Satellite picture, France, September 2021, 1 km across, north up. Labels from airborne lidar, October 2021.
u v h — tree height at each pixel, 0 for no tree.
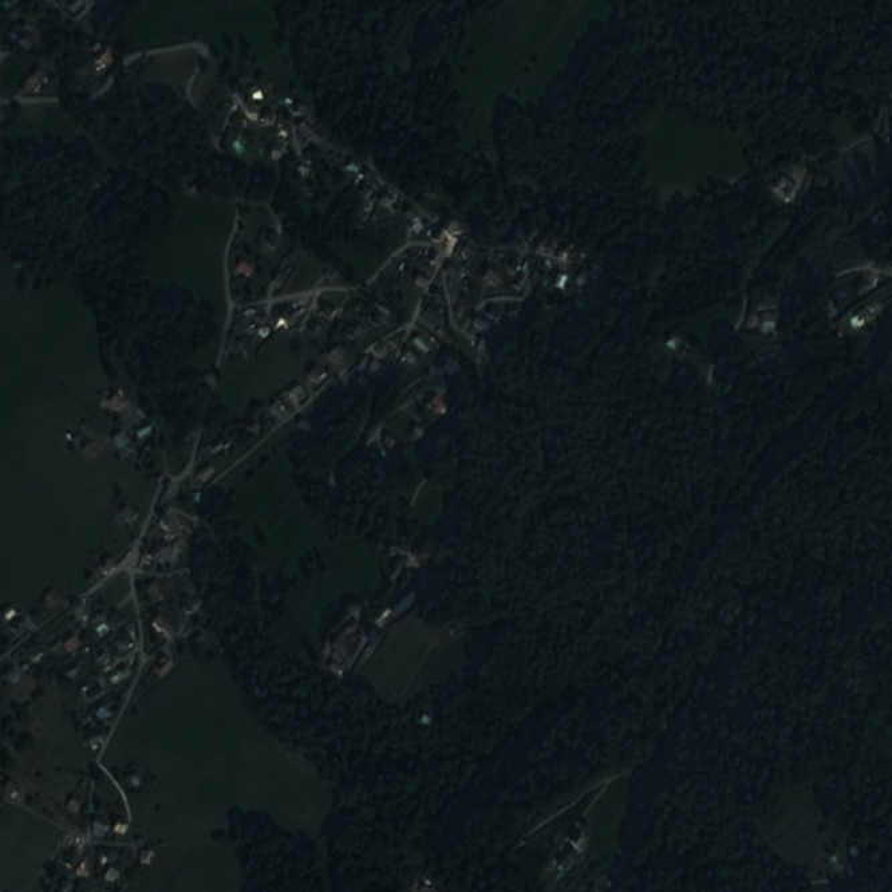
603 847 0
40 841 0
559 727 31
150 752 0
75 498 0
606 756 24
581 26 0
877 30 23
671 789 10
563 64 0
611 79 24
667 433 23
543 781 29
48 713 0
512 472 24
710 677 8
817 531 22
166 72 0
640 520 19
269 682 19
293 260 0
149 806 0
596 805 0
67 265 18
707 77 22
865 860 15
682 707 14
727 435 16
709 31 19
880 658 33
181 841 0
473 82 0
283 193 14
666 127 0
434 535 0
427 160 33
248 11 0
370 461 7
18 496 0
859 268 0
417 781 38
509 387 24
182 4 0
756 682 17
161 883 0
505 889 33
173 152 18
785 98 23
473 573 23
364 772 21
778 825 0
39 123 0
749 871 28
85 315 0
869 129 22
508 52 0
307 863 26
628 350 26
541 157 15
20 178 12
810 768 34
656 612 9
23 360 0
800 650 18
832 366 32
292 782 0
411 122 19
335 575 0
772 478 7
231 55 14
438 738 19
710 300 6
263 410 6
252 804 0
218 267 0
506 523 21
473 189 29
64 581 0
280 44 14
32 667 7
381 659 0
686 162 0
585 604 16
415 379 0
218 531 17
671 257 22
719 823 26
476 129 0
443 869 27
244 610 24
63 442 0
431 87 14
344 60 26
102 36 15
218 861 0
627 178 21
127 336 25
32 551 0
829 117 17
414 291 0
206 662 8
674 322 19
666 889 34
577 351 20
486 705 24
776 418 25
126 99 16
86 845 0
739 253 29
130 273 30
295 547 0
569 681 8
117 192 16
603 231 26
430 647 0
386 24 19
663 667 22
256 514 0
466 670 0
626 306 22
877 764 29
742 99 21
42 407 0
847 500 26
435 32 19
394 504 19
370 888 6
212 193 20
